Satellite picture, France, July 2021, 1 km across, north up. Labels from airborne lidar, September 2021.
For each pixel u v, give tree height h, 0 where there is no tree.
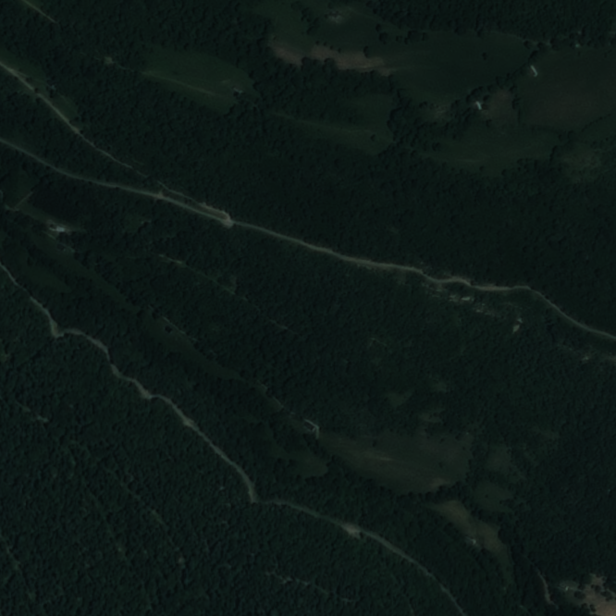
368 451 0
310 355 15
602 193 7
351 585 16
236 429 28
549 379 10
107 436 28
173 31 12
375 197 6
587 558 9
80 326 24
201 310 14
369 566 20
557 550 13
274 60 9
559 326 9
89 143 6
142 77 14
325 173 10
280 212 10
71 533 25
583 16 10
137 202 12
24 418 15
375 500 10
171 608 27
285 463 23
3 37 14
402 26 15
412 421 7
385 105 0
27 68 0
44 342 15
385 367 7
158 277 19
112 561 22
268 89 19
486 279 10
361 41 0
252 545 21
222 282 16
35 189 8
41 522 19
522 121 6
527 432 9
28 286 16
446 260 9
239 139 15
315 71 5
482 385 12
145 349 19
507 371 7
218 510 17
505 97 0
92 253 21
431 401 9
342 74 9
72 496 11
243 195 9
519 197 12
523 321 7
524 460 9
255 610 16
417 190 8
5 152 14
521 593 11
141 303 28
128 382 17
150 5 18
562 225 10
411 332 10
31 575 21
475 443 9
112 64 10
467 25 15
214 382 24
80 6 11
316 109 11
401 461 0
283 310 18
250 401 25
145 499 16
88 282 21
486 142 0
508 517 16
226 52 6
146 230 15
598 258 8
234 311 17
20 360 26
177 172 8
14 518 21
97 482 26
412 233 8
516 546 17
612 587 14
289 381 20
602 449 15
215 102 0
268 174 10
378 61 0
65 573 15
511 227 19
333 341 16
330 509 27
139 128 13
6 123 19
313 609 19
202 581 16
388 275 7
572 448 9
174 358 23
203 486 12
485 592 20
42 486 24
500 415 9
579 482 13
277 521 17
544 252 8
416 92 0
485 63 0
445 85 0
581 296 8
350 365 13
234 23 16
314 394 7
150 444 27
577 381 13
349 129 0
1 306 21
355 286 8
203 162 8
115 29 19
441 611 24
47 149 7
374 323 11
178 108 14
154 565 28
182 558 22
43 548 19
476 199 12
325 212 11
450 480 0
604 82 0
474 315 8
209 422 21
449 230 10
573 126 0
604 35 21
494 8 15
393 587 19
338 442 0
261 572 20
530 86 0
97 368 25
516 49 0
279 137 7
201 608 21
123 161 15
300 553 22
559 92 0
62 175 9
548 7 11
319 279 10
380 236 7
